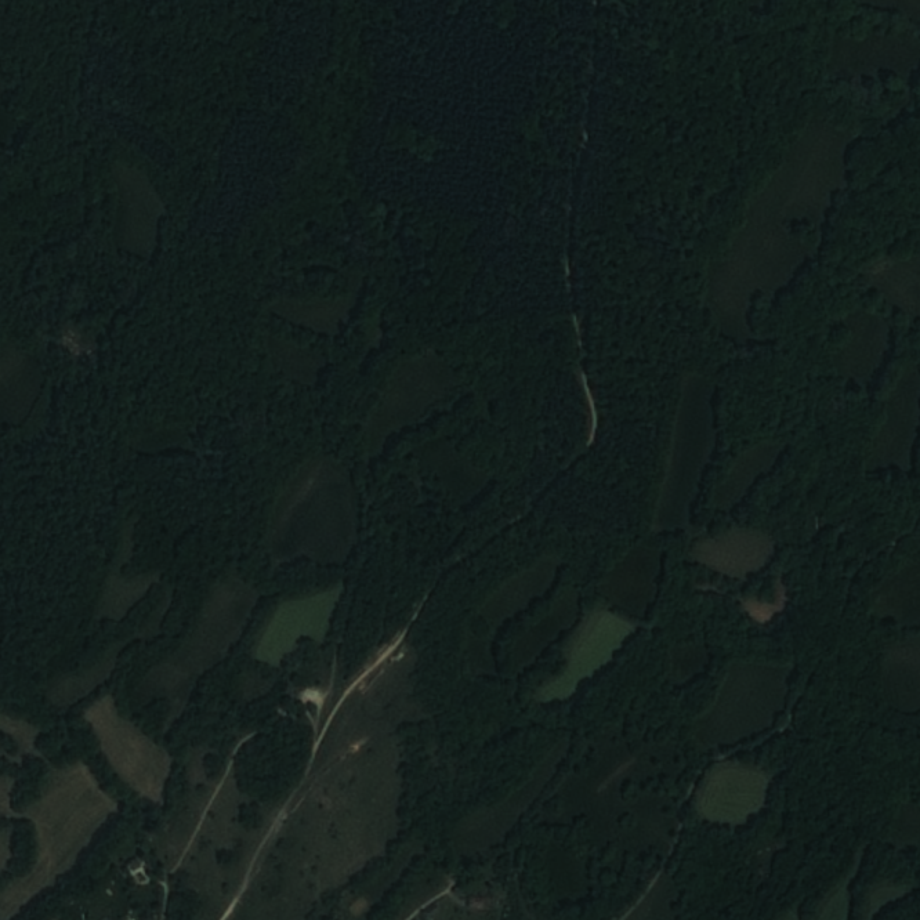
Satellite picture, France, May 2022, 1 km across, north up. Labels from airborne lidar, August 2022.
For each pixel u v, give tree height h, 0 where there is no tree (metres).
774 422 13
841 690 11
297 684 8
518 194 16
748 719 0
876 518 18
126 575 7
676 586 18
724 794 0
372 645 6
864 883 15
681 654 0
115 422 16
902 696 0
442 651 16
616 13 28
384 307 18
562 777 8
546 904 9
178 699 0
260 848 0
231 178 19
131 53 10
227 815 0
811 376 18
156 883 6
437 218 19
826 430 19
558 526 15
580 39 15
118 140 12
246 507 10
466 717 15
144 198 0
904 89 11
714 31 9
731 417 16
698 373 13
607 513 17
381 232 22
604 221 16
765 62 14
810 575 17
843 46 0
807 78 24
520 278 14
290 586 18
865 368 0
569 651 0
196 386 9
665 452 14
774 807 15
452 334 21
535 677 17
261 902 0
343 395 22
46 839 0
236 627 0
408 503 15
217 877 0
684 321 23
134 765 0
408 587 15
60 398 19
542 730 12
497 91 23
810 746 12
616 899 16
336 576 10
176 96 15
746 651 18
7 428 14
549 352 17
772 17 24
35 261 17
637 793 6
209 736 8
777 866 9
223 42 15
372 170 29
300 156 16
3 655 18
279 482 10
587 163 19
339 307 0
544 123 26
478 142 20
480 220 21
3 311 17
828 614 17
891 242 12
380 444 0
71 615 18
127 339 15
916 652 0
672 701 14
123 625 9
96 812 0
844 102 23
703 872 21
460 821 14
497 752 17
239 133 20
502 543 19
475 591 21
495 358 26
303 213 16
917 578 0
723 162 20
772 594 13
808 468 19
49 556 13
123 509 12
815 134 0
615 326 15
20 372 0
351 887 8
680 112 20
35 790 15
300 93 20
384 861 10
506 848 10
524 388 17
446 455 0
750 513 15
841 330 22
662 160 17
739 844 7
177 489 24
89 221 17
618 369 16
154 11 17
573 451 16
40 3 16
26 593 15
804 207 0
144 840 19
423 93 20
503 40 23
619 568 0
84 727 16
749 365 20
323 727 0
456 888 6
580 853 8
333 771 0
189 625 11
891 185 19
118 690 15
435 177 25
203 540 17
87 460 18
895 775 16
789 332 20
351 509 0
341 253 15
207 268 17
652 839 0
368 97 23
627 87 15
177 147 11
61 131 15
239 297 15
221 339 18
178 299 12
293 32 20
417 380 0
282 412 15
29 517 17
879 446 0
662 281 17
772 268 0
